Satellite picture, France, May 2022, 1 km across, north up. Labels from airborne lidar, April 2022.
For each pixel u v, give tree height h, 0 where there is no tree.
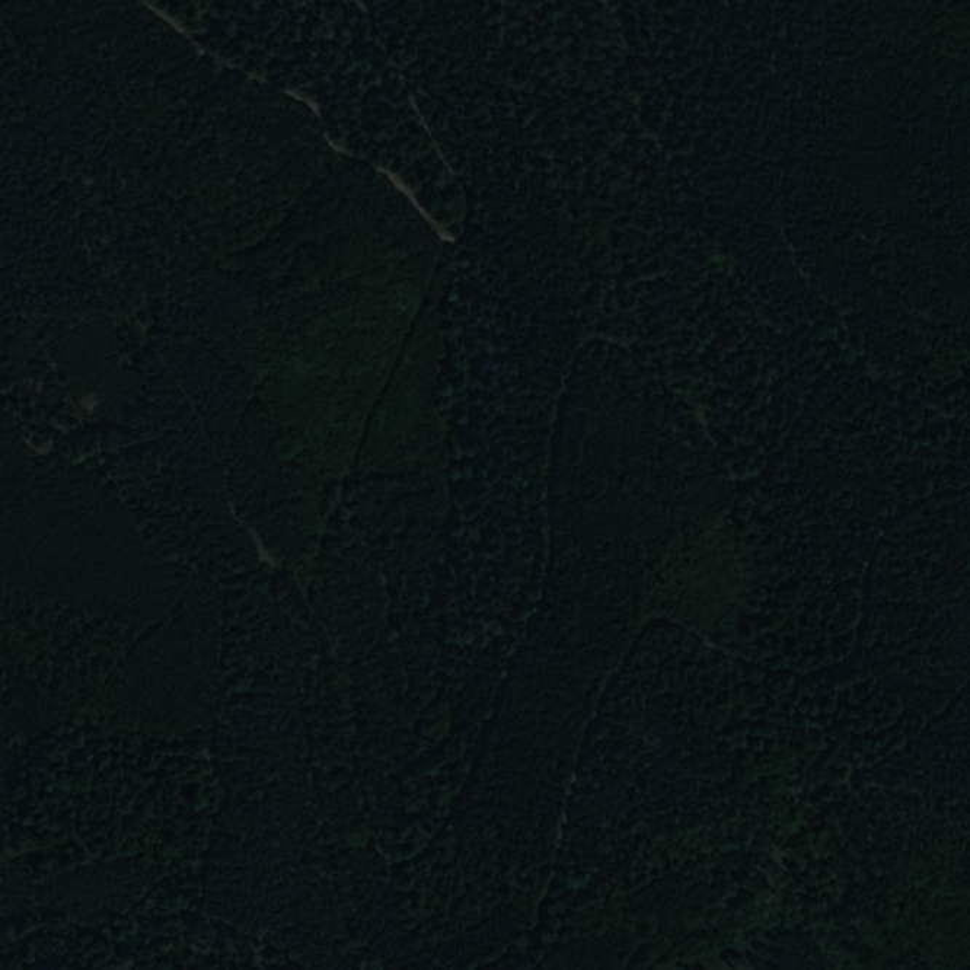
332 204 20
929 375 19
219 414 17
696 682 20
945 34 13
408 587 26
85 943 23
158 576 13
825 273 23
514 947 16
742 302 29
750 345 34
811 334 29
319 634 18
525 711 16
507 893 27
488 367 37
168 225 20
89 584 13
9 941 26
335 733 26
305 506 12
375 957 23
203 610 14
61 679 13
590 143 33
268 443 15
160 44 22
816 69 23
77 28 17
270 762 24
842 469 19
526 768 17
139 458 27
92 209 23
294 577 16
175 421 22
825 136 17
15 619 16
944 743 27
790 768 20
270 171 13
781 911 22
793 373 32
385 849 16
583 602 16
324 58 23
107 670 13
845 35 16
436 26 22
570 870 15
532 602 10
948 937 26
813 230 25
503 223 20
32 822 24
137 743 8
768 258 25
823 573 12
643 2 31
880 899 28
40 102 23
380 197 16
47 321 27
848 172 17
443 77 20
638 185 30
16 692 18
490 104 10
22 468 14
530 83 18
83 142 22
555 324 21
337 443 9
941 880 25
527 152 20
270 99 17
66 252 32
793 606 20
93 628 17
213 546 13
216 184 23
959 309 15
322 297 9
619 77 36
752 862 22
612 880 21
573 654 21
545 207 21
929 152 17
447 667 33
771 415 26
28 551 13
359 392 13
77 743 17
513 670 25
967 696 21
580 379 16
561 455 21
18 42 24
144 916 10
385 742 19
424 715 14
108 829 32
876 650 19
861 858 29
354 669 22
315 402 7
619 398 14
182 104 18
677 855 24
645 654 14
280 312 11
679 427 19
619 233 22
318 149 20
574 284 12
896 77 16
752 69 30
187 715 13
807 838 17
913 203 16
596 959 18
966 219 18
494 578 35
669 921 11
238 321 11
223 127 18
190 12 25
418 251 9
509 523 36
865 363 19
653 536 13
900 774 25
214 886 21
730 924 19
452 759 19
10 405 12
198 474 21
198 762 27
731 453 36
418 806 19
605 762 21
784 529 8
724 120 36
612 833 17
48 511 15
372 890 29
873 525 12
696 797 18
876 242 16
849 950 27
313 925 23
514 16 23
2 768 9
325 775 18
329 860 23
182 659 13
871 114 20
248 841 23
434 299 11
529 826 18
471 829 19
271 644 23
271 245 25
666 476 23
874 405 22
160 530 10
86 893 8
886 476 11
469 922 12
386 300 10
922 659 19
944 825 24
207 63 12
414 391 10
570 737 13
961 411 22
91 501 14
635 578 13
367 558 21
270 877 19
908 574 17
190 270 26
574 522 17
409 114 26
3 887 6
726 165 24
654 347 22
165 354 23
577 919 18
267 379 10
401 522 13
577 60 30
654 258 30
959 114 19
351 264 19
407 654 23
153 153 23
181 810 23
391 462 11
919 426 12
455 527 31
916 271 12
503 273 10
